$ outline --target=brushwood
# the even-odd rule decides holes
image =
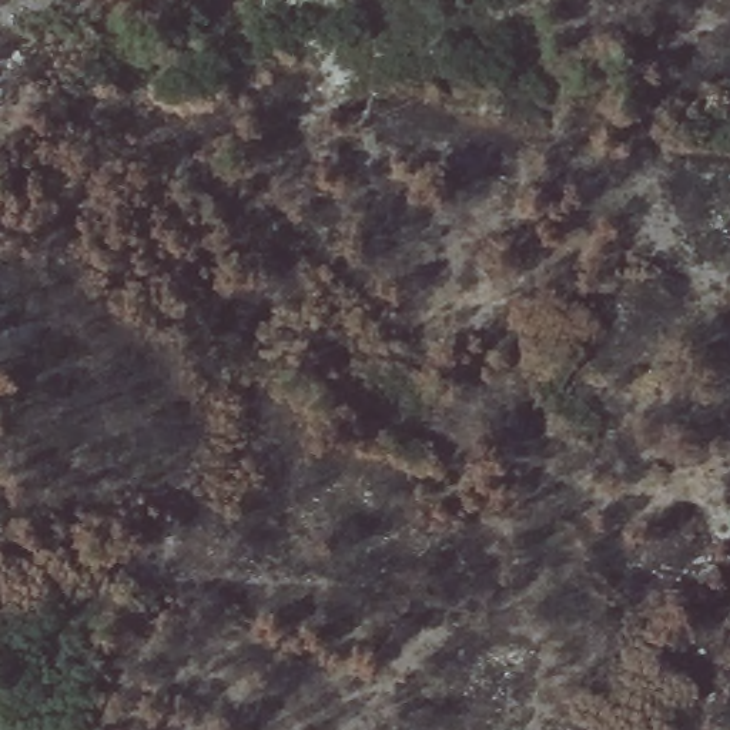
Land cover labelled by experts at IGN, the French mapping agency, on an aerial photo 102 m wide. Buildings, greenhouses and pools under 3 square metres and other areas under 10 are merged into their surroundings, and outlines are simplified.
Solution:
[[[117,51],[134,68],[157,66],[157,74],[148,80],[148,88],[157,88],[163,100],[208,100],[217,91],[242,97],[242,86],[254,80],[259,71],[274,74],[274,68],[282,66],[288,71],[319,74],[322,60],[334,54],[336,66],[348,71],[348,103],[391,94],[416,97],[433,106],[436,111],[456,114],[462,123],[479,128],[496,128],[502,111],[513,120],[550,120],[556,111],[559,83],[542,66],[539,34],[533,23],[519,14],[522,0],[117,0],[108,14],[108,29],[117,34]]]
[[[88,627],[91,616],[86,613],[74,619],[51,619],[40,605],[23,613],[6,613],[0,602],[0,730],[97,730],[103,721],[103,710],[97,707],[97,699],[103,693],[80,696],[80,682],[91,679],[100,670],[100,662],[108,650],[94,644]]]
[[[699,687],[684,676],[662,670],[659,656],[667,644],[670,630],[679,630],[687,616],[679,607],[676,596],[656,599],[647,590],[642,605],[624,610],[622,616],[616,647],[622,650],[622,662],[610,667],[610,693],[602,699],[582,690],[573,696],[573,704],[567,707],[570,724],[582,730],[673,730],[670,724],[676,719],[676,707],[690,707],[696,701]]]

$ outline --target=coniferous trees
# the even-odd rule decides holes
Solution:
[[[174,180],[174,165],[154,165],[148,160],[140,160],[140,145],[128,145],[125,134],[120,137],[117,148],[106,148],[88,128],[63,128],[60,123],[46,125],[46,120],[29,111],[23,128],[17,128],[0,143],[0,257],[9,257],[6,274],[11,279],[31,277],[34,282],[51,282],[63,271],[74,274],[86,294],[86,308],[83,317],[74,322],[74,334],[83,342],[94,342],[100,328],[120,319],[125,325],[123,331],[134,336],[140,345],[140,368],[145,374],[154,374],[160,382],[174,382],[200,413],[208,416],[208,436],[194,451],[194,459],[188,465],[191,476],[183,482],[183,490],[197,496],[200,505],[205,505],[211,513],[220,513],[228,522],[240,516],[240,502],[248,490],[259,490],[262,476],[257,473],[251,459],[242,459],[237,465],[228,456],[231,451],[245,448],[245,436],[237,431],[242,408],[237,396],[228,394],[228,382],[259,385],[271,394],[277,405],[285,405],[291,413],[302,416],[297,419],[297,442],[299,456],[305,462],[334,462],[354,456],[359,462],[391,465],[405,476],[439,479],[445,473],[456,485],[465,471],[471,445],[459,448],[448,436],[428,428],[433,419],[433,405],[422,402],[419,388],[413,385],[413,374],[422,371],[422,362],[428,356],[425,345],[419,351],[411,351],[402,342],[382,342],[376,322],[359,314],[359,299],[354,297],[354,291],[339,285],[328,268],[317,268],[299,259],[297,268],[282,279],[274,279],[268,274],[240,274],[237,254],[225,245],[228,225],[214,214],[214,200],[202,191],[188,191],[183,180]],[[211,279],[222,297],[254,291],[262,299],[271,299],[274,308],[271,319],[259,322],[257,328],[259,354],[251,362],[231,362],[228,368],[220,368],[217,376],[211,376],[214,351],[197,342],[183,319],[185,305],[194,302],[191,288],[202,285],[205,279]]]
[[[533,374],[533,379],[539,382],[550,382],[559,374],[559,368],[567,365],[570,342],[593,339],[599,322],[590,319],[585,308],[562,302],[550,282],[545,282],[539,288],[522,288],[525,299],[516,311],[510,311],[508,328],[516,331],[519,339],[522,374]]]
[[[100,525],[100,516],[94,513],[77,513],[74,542],[63,550],[43,550],[29,530],[29,508],[20,499],[17,476],[0,473],[0,602],[6,613],[23,613],[40,605],[51,619],[74,619],[86,613],[91,616],[88,627],[94,644],[108,650],[108,627],[117,619],[117,610],[131,596],[134,582],[108,582],[108,567],[117,562],[128,562],[128,556],[143,559],[145,545],[140,545],[134,536],[125,536],[120,522],[111,522],[108,528]]]

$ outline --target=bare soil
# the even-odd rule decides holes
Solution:
[[[46,120],[46,125],[60,123],[63,128],[88,128],[106,148],[117,148],[120,137],[125,134],[128,145],[140,145],[140,160],[148,160],[154,165],[174,165],[174,180],[183,180],[188,191],[202,191],[214,200],[214,214],[228,225],[225,245],[237,254],[240,274],[268,274],[274,279],[282,279],[297,268],[299,259],[317,268],[328,268],[339,285],[354,291],[354,297],[359,299],[359,314],[376,322],[382,342],[402,342],[411,351],[419,351],[425,345],[428,356],[422,362],[422,371],[413,374],[413,385],[419,388],[422,402],[433,405],[433,419],[428,428],[448,436],[459,448],[471,445],[465,471],[456,485],[445,473],[439,479],[405,476],[391,465],[359,462],[354,456],[334,462],[305,462],[299,456],[297,442],[297,419],[302,416],[291,413],[285,405],[277,405],[271,394],[259,385],[228,382],[228,394],[237,396],[242,408],[237,431],[245,436],[245,448],[231,451],[228,456],[237,465],[242,459],[251,459],[257,473],[262,476],[259,490],[248,490],[240,502],[240,516],[228,522],[220,513],[211,513],[205,505],[200,505],[197,496],[183,490],[183,482],[191,476],[188,465],[194,459],[194,451],[208,436],[208,416],[200,413],[174,382],[160,382],[154,374],[145,374],[140,368],[140,345],[134,336],[123,331],[125,325],[120,319],[100,328],[94,342],[83,342],[74,334],[74,322],[83,317],[86,308],[86,294],[74,274],[63,271],[51,282],[34,282],[31,277],[11,279],[6,274],[9,257],[0,257],[0,473],[17,476],[20,499],[29,508],[29,530],[43,550],[63,550],[74,542],[77,513],[94,513],[100,516],[100,525],[108,528],[111,522],[120,522],[125,536],[134,536],[140,545],[145,545],[143,559],[128,556],[128,562],[117,562],[108,567],[108,582],[134,582],[131,596],[117,610],[117,619],[108,627],[108,650],[100,662],[100,670],[91,679],[80,682],[80,696],[103,693],[97,699],[97,707],[103,710],[103,721],[97,730],[582,730],[570,724],[567,707],[573,704],[573,696],[582,690],[602,699],[610,693],[610,667],[622,662],[622,650],[616,647],[622,616],[624,610],[642,605],[647,590],[656,599],[676,596],[679,607],[687,616],[679,630],[670,630],[667,644],[659,656],[662,670],[684,676],[699,687],[696,701],[690,707],[676,707],[676,719],[670,724],[673,730],[730,730],[730,0],[522,0],[519,14],[533,23],[539,34],[542,66],[559,83],[556,111],[550,120],[513,120],[502,111],[496,128],[479,128],[462,123],[456,114],[436,111],[433,106],[416,97],[391,94],[348,103],[348,71],[336,66],[334,54],[322,60],[319,74],[288,71],[282,66],[274,68],[274,74],[259,71],[254,80],[242,86],[242,97],[217,91],[208,100],[163,100],[157,88],[148,88],[148,80],[157,74],[157,66],[134,68],[117,51],[117,34],[108,29],[108,14],[117,0],[0,0],[0,143],[17,128],[23,128],[29,111]],[[545,282],[550,282],[562,302],[585,308],[590,319],[599,322],[593,339],[570,342],[567,365],[559,368],[559,374],[550,382],[539,382],[533,379],[533,374],[522,374],[519,339],[516,331],[508,328],[510,311],[516,311],[525,299],[522,288],[539,288]]]
[[[257,328],[259,322],[271,319],[274,308],[271,299],[262,299],[254,291],[222,297],[211,279],[205,279],[202,285],[191,288],[194,302],[185,305],[183,319],[197,342],[214,351],[211,376],[217,376],[220,368],[228,368],[231,362],[251,362],[259,354]]]

